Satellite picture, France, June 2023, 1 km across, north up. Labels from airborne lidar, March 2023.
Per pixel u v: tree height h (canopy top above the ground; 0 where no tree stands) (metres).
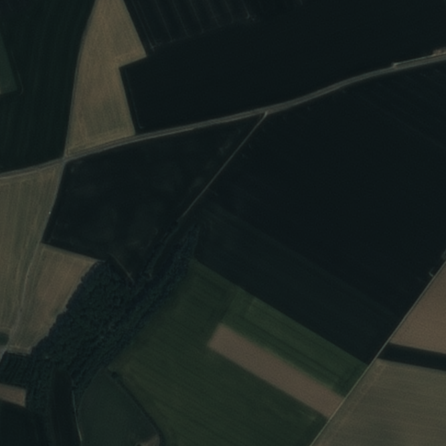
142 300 20
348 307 0
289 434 0
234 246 0
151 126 0
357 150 0
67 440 0
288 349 0
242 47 0
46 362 15
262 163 0
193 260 0
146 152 0
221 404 0
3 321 0
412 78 0
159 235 0
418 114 0
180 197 0
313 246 0
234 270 0
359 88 0
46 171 0
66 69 0
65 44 0
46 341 17
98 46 0
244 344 0
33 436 0
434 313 0
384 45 0
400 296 0
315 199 0
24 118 0
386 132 0
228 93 0
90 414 0
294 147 0
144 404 0
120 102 0
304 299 0
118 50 0
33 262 0
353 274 0
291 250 0
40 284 0
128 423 0
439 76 0
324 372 0
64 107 0
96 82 0
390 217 0
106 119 0
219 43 0
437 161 0
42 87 0
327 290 0
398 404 0
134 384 0
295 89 0
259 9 0
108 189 0
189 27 0
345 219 0
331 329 0
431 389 0
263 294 0
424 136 0
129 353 0
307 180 0
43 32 0
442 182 0
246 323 0
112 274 20
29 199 0
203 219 0
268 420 0
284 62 0
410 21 0
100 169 0
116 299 23
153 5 0
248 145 0
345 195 0
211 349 0
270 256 0
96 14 0
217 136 0
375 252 0
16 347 0
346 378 0
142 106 0
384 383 0
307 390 0
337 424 0
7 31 0
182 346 0
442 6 0
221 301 0
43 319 0
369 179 0
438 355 0
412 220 0
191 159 0
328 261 0
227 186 0
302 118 0
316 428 0
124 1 0
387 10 0
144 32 0
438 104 0
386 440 0
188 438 0
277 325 0
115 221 0
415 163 0
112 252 0
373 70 0
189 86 0
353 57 0
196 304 0
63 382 0
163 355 0
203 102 0
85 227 0
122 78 0
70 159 0
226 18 0
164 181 0
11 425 0
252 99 0
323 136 0
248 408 0
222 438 0
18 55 0
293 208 0
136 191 0
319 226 0
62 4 0
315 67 0
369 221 0
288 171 0
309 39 0
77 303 21
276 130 0
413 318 0
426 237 0
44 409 14
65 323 26
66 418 0
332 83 0
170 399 0
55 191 0
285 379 0
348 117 0
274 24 0
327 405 0
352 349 0
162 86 0
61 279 0
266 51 0
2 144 0
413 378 0
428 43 0
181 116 0
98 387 0
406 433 0
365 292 0
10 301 0
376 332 0
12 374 9
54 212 0
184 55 0
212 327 0
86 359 15
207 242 0
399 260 0
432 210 0
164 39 0
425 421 0
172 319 0
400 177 0
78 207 0
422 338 0
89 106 0
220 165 0
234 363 0
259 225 0
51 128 0
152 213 0
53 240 0
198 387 0
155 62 0
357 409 0
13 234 0
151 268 15
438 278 0
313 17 0
